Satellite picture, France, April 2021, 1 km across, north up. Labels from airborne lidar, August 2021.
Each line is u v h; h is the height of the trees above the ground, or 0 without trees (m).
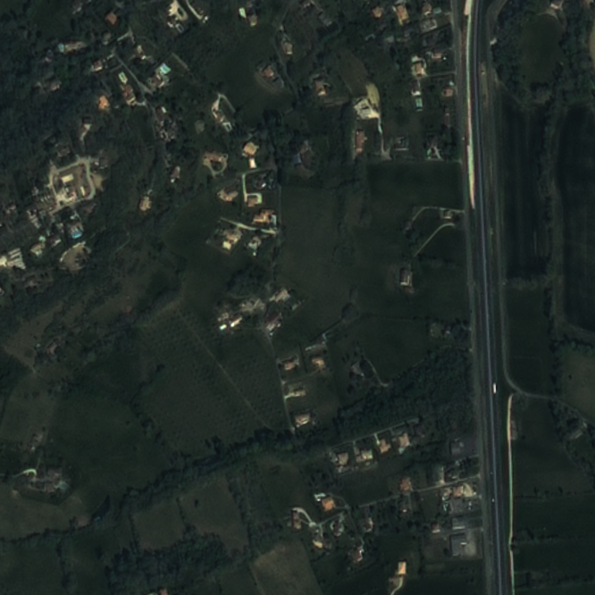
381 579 0
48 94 10
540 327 0
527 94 17
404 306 0
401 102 0
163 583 22
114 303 0
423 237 11
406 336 0
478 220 0
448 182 0
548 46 0
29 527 0
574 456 12
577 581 15
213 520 0
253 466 10
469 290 0
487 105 0
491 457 0
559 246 0
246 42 0
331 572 0
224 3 15
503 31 23
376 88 0
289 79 11
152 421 13
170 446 28
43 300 15
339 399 0
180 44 9
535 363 0
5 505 0
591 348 20
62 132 10
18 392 0
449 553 10
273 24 0
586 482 0
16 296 13
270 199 0
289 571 0
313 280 0
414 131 0
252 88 0
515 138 0
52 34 0
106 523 19
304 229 0
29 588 0
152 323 7
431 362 8
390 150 0
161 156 17
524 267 0
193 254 0
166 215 18
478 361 0
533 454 0
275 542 16
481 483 0
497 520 0
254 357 9
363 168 18
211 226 0
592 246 0
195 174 11
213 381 12
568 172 0
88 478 0
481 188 0
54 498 7
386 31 14
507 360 0
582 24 25
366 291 0
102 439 0
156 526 0
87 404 0
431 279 0
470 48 0
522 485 0
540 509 0
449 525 7
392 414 17
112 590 8
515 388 0
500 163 0
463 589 0
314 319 0
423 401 15
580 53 15
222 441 10
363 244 0
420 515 8
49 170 13
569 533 0
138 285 0
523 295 0
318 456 16
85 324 12
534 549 0
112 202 10
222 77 0
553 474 0
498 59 17
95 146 13
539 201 0
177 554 11
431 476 9
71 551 20
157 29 11
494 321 0
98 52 14
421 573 8
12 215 10
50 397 6
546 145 14
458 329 14
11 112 20
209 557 6
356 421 24
